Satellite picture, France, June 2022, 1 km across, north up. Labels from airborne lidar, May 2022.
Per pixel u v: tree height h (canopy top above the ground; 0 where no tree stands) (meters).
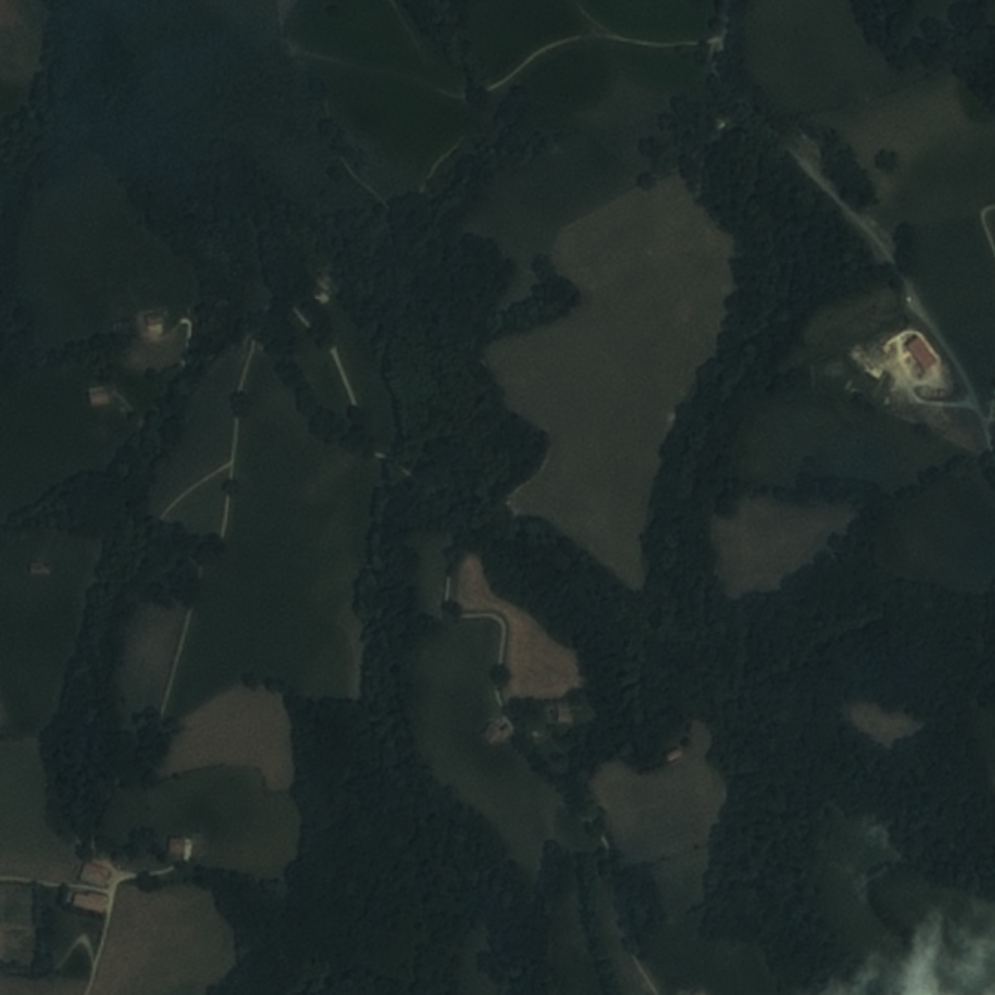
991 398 0
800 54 0
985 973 0
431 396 23
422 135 0
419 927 10
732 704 11
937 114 0
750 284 20
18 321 25
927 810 30
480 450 29
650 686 19
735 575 0
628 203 0
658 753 18
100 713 24
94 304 0
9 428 0
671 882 0
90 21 17
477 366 15
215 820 0
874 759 22
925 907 0
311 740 20
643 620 32
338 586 0
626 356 0
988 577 0
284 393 0
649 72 0
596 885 14
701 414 17
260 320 15
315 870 20
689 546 27
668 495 19
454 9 20
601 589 12
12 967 12
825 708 19
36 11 0
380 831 22
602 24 0
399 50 0
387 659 33
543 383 0
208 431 0
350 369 0
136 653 0
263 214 17
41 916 11
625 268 0
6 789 0
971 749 15
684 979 0
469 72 12
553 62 0
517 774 0
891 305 0
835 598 25
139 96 7
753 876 29
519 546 33
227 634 0
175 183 26
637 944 15
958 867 10
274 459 0
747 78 10
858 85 0
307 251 30
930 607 16
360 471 0
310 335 10
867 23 20
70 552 0
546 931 18
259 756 0
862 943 0
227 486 12
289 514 0
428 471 20
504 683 13
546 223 0
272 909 16
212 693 0
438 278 10
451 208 23
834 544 15
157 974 0
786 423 0
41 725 0
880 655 19
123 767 17
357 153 14
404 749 27
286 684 15
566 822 0
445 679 0
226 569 0
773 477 0
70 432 0
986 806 23
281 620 0
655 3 0
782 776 30
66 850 0
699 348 0
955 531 0
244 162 19
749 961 0
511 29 0
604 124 0
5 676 0
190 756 0
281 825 0
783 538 0
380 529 18
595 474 0
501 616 0
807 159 0
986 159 0
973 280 0
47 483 0
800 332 13
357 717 24
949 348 0
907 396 0
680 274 0
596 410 0
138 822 0
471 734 0
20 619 0
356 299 15
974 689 14
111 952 0
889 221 0
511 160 20
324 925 19
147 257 0
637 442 0
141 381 0
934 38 16
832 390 0
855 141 0
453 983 24
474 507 22
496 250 19
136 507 22
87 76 18
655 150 15
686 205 0
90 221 0
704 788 0
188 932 0
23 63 0
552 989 15
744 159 36
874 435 0
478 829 27
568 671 0
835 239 9
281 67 0
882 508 15
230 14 0
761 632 21
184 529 14
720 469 16
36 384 0
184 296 0
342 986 18
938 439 0
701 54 8
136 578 21
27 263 0
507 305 0
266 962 23
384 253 18
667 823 0
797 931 37
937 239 0
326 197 8
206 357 13
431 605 0
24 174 22
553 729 7
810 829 8
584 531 0
